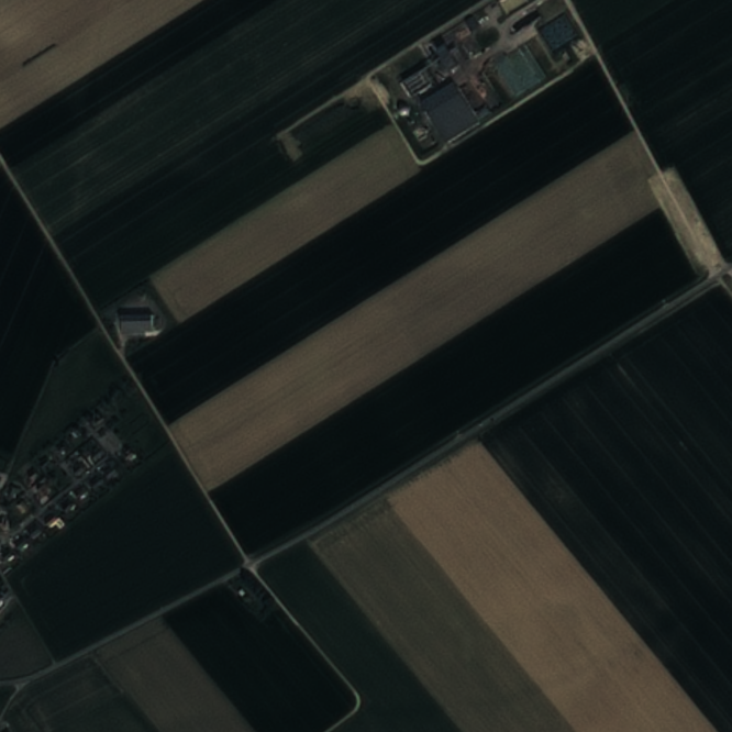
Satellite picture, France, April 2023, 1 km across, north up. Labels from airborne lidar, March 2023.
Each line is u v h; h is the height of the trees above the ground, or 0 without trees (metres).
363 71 0
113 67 0
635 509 0
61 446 0
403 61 0
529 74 0
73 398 0
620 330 0
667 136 0
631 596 0
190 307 0
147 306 0
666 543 0
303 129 0
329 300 0
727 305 0
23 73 0
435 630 0
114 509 0
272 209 0
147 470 0
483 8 0
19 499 7
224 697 0
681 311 0
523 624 0
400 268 0
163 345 0
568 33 0
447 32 0
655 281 0
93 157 0
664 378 0
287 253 0
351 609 0
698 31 0
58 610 0
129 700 0
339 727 0
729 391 0
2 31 0
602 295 0
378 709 0
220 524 0
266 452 0
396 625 0
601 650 0
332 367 0
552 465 0
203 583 0
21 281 0
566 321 0
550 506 0
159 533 0
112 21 0
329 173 0
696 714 0
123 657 0
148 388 0
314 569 0
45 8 0
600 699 0
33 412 0
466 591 0
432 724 0
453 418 0
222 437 0
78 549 0
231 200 0
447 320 0
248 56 0
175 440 0
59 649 0
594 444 0
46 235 0
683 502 0
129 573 0
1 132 0
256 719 0
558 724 0
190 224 0
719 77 0
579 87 0
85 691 0
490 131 0
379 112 0
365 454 0
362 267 0
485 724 0
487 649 0
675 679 0
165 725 0
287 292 0
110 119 0
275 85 0
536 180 0
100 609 0
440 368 0
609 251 0
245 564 0
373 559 0
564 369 0
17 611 0
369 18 0
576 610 0
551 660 0
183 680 0
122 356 0
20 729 0
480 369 0
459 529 0
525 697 0
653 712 0
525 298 0
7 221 0
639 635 0
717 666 0
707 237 0
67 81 0
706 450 0
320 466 0
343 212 0
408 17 0
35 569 0
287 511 0
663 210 0
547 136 0
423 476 0
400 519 0
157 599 0
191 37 0
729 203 0
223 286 0
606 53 0
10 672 0
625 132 0
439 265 0
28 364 0
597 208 0
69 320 0
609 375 0
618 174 0
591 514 0
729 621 0
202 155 0
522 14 0
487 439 0
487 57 0
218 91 0
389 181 0
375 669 0
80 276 0
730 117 0
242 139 0
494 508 0
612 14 0
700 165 0
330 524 0
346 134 0
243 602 9
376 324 0
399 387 0
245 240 0
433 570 0
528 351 0
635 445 0
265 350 0
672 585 0
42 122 0
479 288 0
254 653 0
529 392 0
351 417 0
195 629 0
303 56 0
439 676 0
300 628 0
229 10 0
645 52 0
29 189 0
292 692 0
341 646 0
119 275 0
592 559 0
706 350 0
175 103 0
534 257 0
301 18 0
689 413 0
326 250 0
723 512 0
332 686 0
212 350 0
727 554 0
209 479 0
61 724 0
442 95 0
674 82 0
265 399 0
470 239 0
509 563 0
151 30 0
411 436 0
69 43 0
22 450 0
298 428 0
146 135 0
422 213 0
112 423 6
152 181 0
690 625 0
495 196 0
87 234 0
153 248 0
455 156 0
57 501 0
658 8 0
